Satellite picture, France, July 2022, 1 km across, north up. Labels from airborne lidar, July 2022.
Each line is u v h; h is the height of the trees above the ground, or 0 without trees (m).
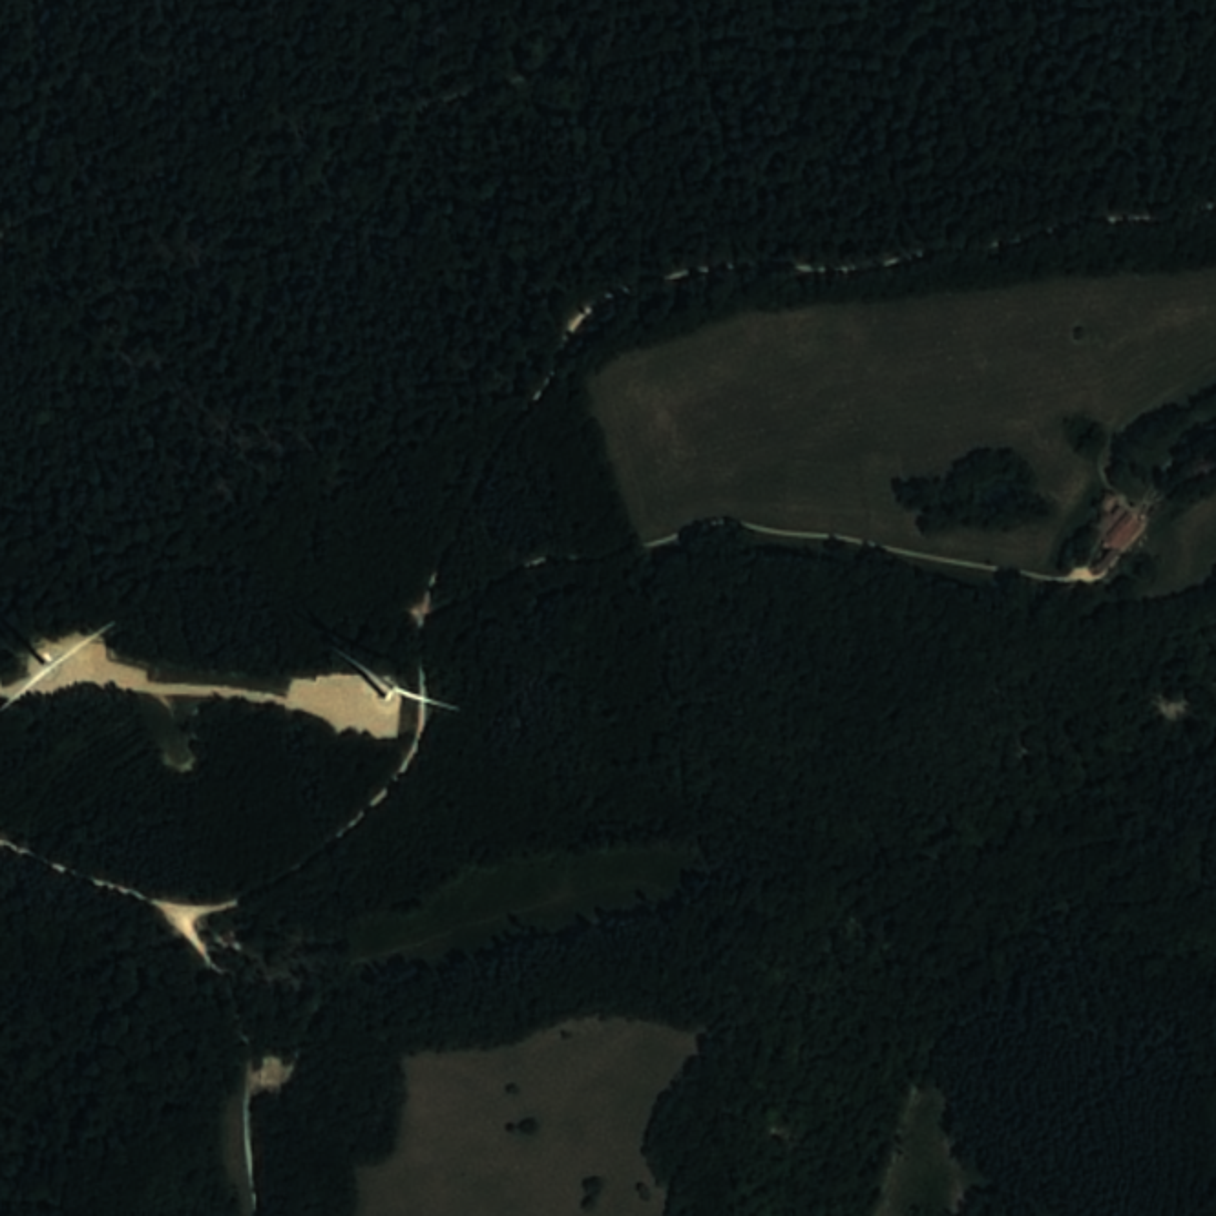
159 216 21
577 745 11
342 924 21
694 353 0
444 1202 0
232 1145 0
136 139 24
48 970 19
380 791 6
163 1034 28
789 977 17
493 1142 0
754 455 0
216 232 25
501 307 20
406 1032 17
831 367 0
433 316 24
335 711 0
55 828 6
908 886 18
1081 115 15
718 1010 10
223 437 12
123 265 24
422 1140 0
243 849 12
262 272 24
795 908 27
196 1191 9
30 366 21
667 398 0
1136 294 0
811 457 0
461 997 16
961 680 17
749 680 20
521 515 28
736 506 0
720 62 17
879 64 30
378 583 18
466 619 18
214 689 0
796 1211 15
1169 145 16
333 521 18
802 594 24
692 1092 19
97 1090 30
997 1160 28
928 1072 16
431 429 25
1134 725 29
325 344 19
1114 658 24
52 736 19
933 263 17
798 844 23
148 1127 19
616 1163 0
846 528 0
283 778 18
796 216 26
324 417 21
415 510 21
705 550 26
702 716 18
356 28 26
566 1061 0
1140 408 0
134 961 27
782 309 10
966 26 30
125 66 22
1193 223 17
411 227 19
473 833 19
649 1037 0
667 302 27
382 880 11
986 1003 28
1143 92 24
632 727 13
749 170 35
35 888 25
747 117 21
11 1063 26
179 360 22
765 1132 29
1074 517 0
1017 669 18
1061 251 21
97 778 9
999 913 19
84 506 25
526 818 13
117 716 13
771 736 20
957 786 18
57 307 25
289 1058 17
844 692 24
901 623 20
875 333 0
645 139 23
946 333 0
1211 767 24
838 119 17
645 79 17
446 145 13
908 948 26
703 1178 19
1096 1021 24
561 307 26
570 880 0
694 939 15
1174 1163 19
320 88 24
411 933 0
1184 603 13
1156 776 24
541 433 15
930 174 15
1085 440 10
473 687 14
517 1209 0
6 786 13
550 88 30
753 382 0
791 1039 26
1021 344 0
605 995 15
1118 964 15
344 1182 15
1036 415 0
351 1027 14
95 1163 15
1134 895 17
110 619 20
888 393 0
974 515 22
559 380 18
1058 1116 27
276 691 0
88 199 26
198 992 17
